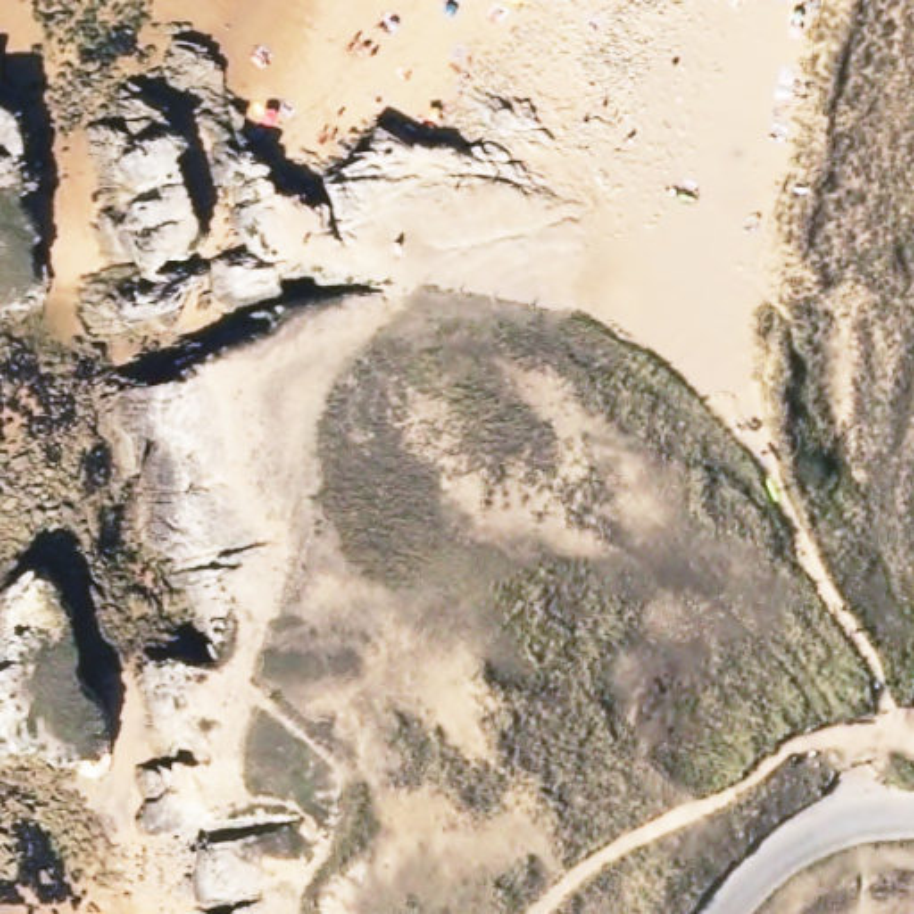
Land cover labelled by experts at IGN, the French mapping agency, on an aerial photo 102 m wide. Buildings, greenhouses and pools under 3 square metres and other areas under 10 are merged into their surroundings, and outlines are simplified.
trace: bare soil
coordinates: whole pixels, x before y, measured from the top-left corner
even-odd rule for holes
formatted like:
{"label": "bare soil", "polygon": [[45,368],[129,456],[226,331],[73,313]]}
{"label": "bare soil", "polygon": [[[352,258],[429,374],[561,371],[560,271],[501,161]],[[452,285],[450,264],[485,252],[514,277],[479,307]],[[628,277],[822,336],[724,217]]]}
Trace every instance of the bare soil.
{"label": "bare soil", "polygon": [[[114,25],[125,25],[125,32],[136,39],[132,54],[118,57],[114,64],[82,61],[79,50],[104,43]],[[914,707],[914,0],[0,0],[0,364],[11,357],[14,346],[32,343],[39,371],[54,375],[50,396],[75,396],[75,425],[43,432],[36,439],[25,436],[25,421],[14,411],[0,411],[0,878],[18,875],[14,825],[32,821],[43,832],[50,832],[50,843],[64,860],[64,882],[71,885],[61,903],[39,900],[29,885],[18,893],[18,903],[0,900],[0,914],[525,914],[525,907],[539,900],[543,889],[561,882],[578,860],[593,857],[618,835],[664,818],[668,810],[689,800],[703,800],[728,785],[739,785],[746,775],[760,768],[764,757],[793,743],[807,732],[868,725],[882,707],[882,696],[893,696],[896,707]],[[821,600],[818,582],[800,564],[793,521],[768,493],[768,468],[728,428],[732,421],[775,414],[782,403],[782,432],[793,457],[793,482],[807,507],[810,539],[843,603],[860,621],[871,646],[882,653],[885,678],[875,678],[860,646]],[[104,443],[114,457],[111,482],[96,493],[82,493],[82,453]],[[107,561],[96,550],[96,511],[114,503],[129,511],[121,539],[139,553],[132,564],[107,571]]]}
{"label": "bare soil", "polygon": [[821,893],[803,907],[803,914],[850,914],[857,903],[846,893]]}
{"label": "bare soil", "polygon": [[914,757],[893,750],[889,768],[882,771],[882,785],[914,789]]}
{"label": "bare soil", "polygon": [[732,807],[714,810],[703,821],[682,825],[653,843],[621,853],[600,875],[582,882],[553,914],[703,914],[718,889],[728,882],[728,875],[760,850],[760,843],[771,832],[778,832],[785,821],[793,821],[796,814],[803,814],[807,807],[821,803],[839,789],[839,771],[828,768],[825,750],[800,753],[775,768],[746,800],[735,800]]}

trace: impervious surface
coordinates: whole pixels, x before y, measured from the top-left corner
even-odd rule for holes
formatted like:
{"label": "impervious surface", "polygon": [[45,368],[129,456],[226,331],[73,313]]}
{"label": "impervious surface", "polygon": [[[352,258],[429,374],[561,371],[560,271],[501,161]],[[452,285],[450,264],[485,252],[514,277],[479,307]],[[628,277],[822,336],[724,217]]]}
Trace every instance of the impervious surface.
{"label": "impervious surface", "polygon": [[914,707],[896,707],[893,696],[882,696],[882,707],[868,725],[807,732],[793,743],[800,753],[825,750],[828,768],[839,771],[839,789],[821,803],[807,807],[803,814],[796,814],[793,821],[785,821],[778,832],[771,832],[760,843],[760,850],[728,875],[728,882],[718,889],[703,914],[753,914],[753,907],[785,875],[832,850],[875,843],[875,850],[914,850],[914,789],[882,785],[882,771],[889,768],[893,750],[914,757]]}

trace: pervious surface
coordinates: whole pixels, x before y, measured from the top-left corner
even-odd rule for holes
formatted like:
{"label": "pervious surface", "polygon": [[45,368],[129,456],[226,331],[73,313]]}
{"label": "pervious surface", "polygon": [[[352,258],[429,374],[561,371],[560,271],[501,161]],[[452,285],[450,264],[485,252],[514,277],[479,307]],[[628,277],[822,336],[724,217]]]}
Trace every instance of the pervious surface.
{"label": "pervious surface", "polygon": [[653,843],[682,825],[703,821],[714,810],[732,807],[735,800],[746,800],[775,768],[800,753],[793,743],[764,757],[760,768],[746,775],[739,785],[728,785],[703,800],[689,800],[668,810],[664,818],[618,835],[593,857],[578,860],[561,882],[543,889],[539,900],[525,907],[525,914],[553,914],[582,882],[600,875],[621,853]]}
{"label": "pervious surface", "polygon": [[753,907],[753,914],[803,914],[803,907],[821,893],[846,893],[857,903],[850,914],[914,914],[914,850],[875,850],[875,843],[832,850],[785,875]]}
{"label": "pervious surface", "polygon": [[768,493],[793,521],[800,564],[818,582],[821,600],[860,646],[875,678],[885,678],[882,653],[871,646],[860,621],[843,603],[810,539],[807,507],[793,482],[793,457],[782,432],[782,403],[775,414],[732,421],[728,428],[768,468]]}

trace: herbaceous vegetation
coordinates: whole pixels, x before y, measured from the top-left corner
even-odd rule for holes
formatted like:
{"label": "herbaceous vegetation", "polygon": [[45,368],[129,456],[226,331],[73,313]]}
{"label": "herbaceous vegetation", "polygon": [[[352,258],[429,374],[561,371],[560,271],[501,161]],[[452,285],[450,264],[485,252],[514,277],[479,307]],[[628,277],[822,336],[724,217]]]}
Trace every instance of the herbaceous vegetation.
{"label": "herbaceous vegetation", "polygon": [[50,843],[50,832],[43,832],[32,821],[14,825],[18,875],[0,878],[0,900],[18,903],[18,893],[29,885],[39,900],[61,903],[71,885],[64,882],[64,860]]}
{"label": "herbaceous vegetation", "polygon": [[36,439],[43,432],[75,425],[75,396],[50,396],[54,375],[39,371],[32,343],[14,346],[11,357],[0,364],[0,411],[14,411],[25,421],[25,436]]}
{"label": "herbaceous vegetation", "polygon": [[114,457],[104,443],[82,453],[82,493],[96,493],[111,482]]}
{"label": "herbaceous vegetation", "polygon": [[107,561],[107,571],[132,564],[139,553],[121,539],[129,511],[114,503],[96,511],[96,550]]}
{"label": "herbaceous vegetation", "polygon": [[79,50],[82,61],[114,64],[118,57],[132,54],[136,39],[125,32],[125,25],[114,25],[104,43]]}

